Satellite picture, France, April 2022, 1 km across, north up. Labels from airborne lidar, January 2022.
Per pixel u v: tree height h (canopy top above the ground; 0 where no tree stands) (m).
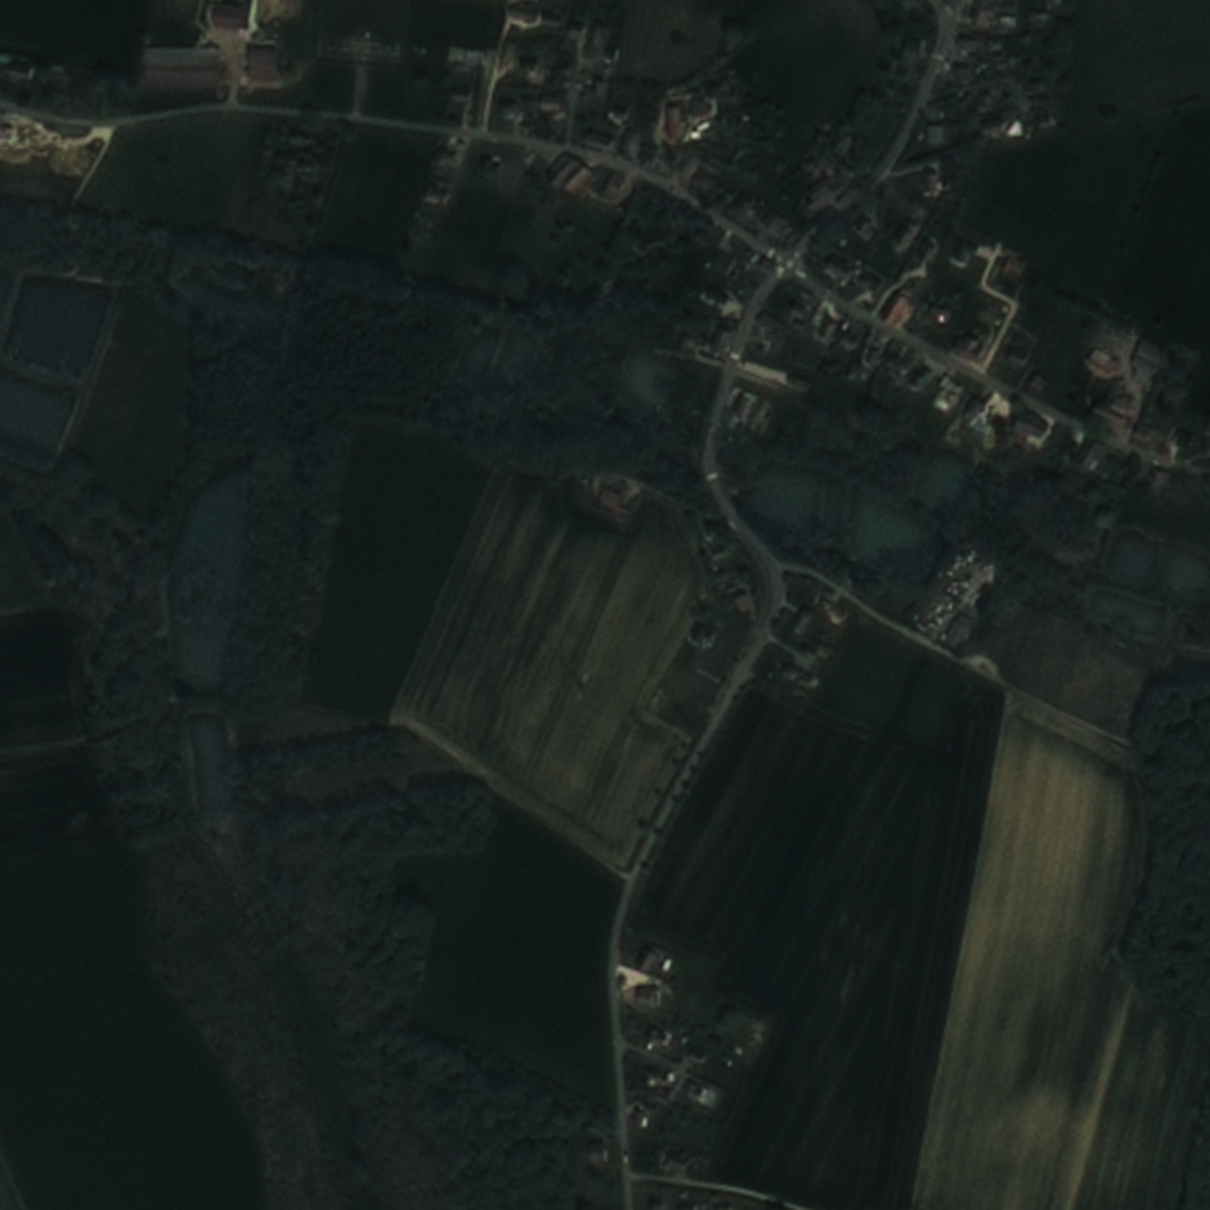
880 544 0
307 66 0
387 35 0
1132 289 0
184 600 12
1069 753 0
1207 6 0
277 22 0
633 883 0
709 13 0
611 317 27
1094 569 6
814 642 6
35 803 0
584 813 0
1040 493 31
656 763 0
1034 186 0
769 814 0
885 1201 0
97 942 0
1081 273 0
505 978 0
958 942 0
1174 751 24
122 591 16
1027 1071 0
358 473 0
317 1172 0
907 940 0
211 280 0
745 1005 0
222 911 0
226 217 0
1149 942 20
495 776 0
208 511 0
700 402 0
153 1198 0
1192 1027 0
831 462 20
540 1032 0
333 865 26
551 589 0
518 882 0
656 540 0
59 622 0
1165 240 0
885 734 0
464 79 0
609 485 0
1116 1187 0
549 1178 27
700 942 0
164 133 0
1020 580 10
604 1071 0
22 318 0
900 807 0
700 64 0
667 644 0
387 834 26
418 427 14
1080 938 0
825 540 20
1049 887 0
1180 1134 0
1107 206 0
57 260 22
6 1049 0
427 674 0
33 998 0
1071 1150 0
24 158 0
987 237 0
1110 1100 0
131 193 0
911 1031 0
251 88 0
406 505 0
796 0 0
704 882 0
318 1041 0
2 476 17
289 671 23
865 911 0
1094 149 0
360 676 0
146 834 13
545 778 0
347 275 38
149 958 0
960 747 0
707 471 0
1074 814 0
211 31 0
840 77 0
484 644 0
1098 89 0
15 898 0
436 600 0
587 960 0
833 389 0
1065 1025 0
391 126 0
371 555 0
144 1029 0
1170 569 0
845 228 14
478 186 0
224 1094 0
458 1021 0
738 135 8
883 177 0
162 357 0
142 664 24
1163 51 0
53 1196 0
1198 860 24
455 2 0
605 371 27
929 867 0
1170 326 0
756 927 0
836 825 0
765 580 0
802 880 0
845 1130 0
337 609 0
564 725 0
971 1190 0
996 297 0
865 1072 0
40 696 0
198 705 0
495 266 0
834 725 0
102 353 0
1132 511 0
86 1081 0
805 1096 0
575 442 29
